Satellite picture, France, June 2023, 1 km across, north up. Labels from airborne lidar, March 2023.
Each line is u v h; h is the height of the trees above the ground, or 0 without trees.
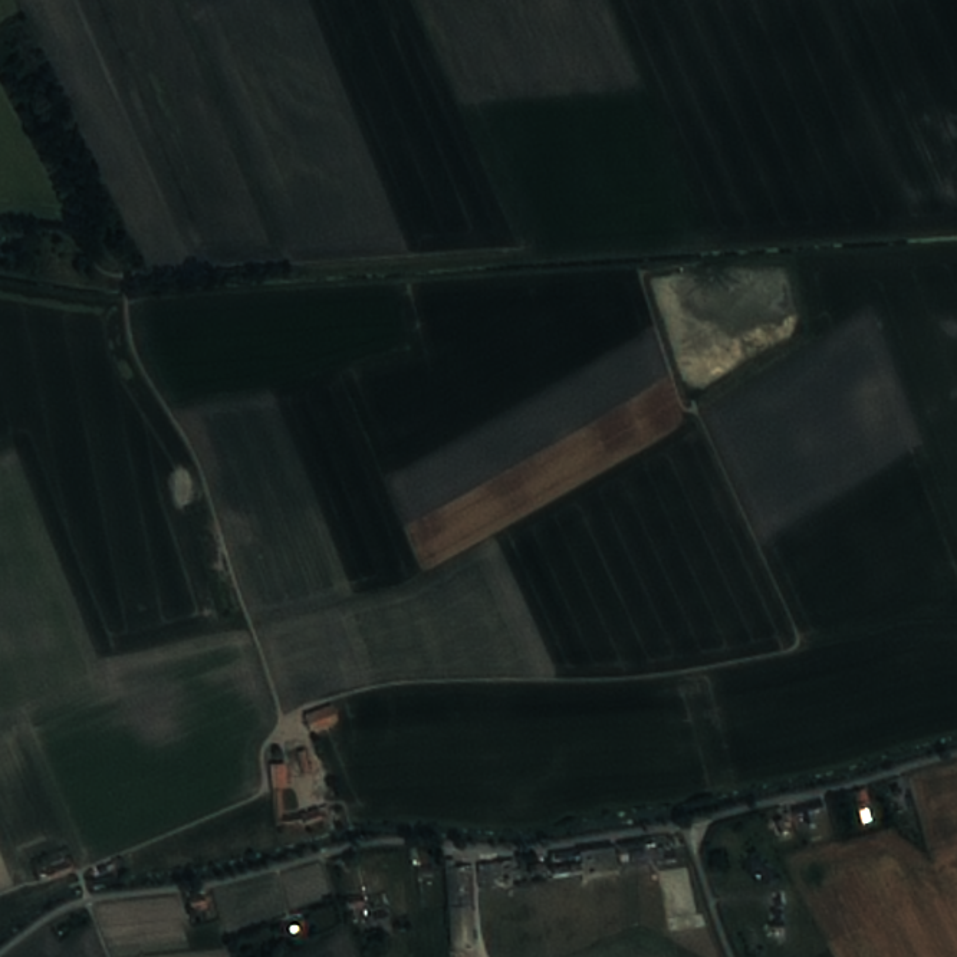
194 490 0
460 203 0
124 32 0
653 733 0
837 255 0
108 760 0
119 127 0
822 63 0
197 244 0
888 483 0
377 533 0
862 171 0
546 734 0
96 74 0
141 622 0
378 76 0
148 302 0
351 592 0
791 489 0
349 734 0
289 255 0
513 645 0
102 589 0
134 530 0
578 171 0
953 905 0
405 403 0
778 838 0
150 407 0
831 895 0
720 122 0
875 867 0
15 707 0
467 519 0
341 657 0
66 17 0
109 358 0
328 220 0
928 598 0
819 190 0
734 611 0
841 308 0
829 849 0
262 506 0
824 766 0
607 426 0
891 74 0
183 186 0
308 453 0
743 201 0
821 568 0
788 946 0
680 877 0
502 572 0
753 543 0
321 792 0
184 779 0
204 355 0
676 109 0
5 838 0
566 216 0
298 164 0
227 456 0
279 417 0
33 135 23
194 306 0
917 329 0
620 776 0
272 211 0
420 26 0
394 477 0
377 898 0
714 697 0
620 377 0
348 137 0
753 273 0
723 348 0
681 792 0
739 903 0
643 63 0
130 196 0
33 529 0
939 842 0
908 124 0
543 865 0
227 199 0
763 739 0
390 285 0
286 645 0
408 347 0
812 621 0
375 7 0
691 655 0
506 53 0
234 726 0
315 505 0
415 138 0
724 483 0
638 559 0
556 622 0
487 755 0
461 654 0
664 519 0
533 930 0
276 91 0
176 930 0
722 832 0
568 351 0
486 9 0
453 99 0
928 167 0
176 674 0
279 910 0
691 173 0
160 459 0
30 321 0
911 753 0
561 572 0
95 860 0
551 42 0
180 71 0
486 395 0
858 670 0
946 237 0
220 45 0
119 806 0
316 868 0
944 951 0
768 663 0
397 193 0
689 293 0
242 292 0
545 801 0
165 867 0
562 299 0
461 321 0
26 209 0
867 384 0
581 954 0
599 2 0
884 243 0
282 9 0
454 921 0
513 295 0
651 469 0
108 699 0
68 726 0
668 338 0
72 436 0
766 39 0
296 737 0
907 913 0
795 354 0
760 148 0
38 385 0
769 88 0
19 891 0
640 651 0
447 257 0
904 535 0
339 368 0
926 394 0
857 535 0
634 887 0
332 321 0
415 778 0
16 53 6
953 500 0
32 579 0
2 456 0
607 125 0
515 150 0
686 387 0
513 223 0
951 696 0
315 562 0
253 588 0
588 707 0
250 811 0
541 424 0
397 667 0
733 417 0
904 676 0
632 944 0
